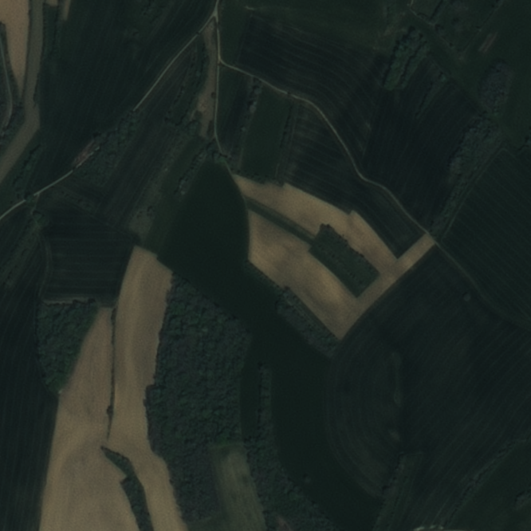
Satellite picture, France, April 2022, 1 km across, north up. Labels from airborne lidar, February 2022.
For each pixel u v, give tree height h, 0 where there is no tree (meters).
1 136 0
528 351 0
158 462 0
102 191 0
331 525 15
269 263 0
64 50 0
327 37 0
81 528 0
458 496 0
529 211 0
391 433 0
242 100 0
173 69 0
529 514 0
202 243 0
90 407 0
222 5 8
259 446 16
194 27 0
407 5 0
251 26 0
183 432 20
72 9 0
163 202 0
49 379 20
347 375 0
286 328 0
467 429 0
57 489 0
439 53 0
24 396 0
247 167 0
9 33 0
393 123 0
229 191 0
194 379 18
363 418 0
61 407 0
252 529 0
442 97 0
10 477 0
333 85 0
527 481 0
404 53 16
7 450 0
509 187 0
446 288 0
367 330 0
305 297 0
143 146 0
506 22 0
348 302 0
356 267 0
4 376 0
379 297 0
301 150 0
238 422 14
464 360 0
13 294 0
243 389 0
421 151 0
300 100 0
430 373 0
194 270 0
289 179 0
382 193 0
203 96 0
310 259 0
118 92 0
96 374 0
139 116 13
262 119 0
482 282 0
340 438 0
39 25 0
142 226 0
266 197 0
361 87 0
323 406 0
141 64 0
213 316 21
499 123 0
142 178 0
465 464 0
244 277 0
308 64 0
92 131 0
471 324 0
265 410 11
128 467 13
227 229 0
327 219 0
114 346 0
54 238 0
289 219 0
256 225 0
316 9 0
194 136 6
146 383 0
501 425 0
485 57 0
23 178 7
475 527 0
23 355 0
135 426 0
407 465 0
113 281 0
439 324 0
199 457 20
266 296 0
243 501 0
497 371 0
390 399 0
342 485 0
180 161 0
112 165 12
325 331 7
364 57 0
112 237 0
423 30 0
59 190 10
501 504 0
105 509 0
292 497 21
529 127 0
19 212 0
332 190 0
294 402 0
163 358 16
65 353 25
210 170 0
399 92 0
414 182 0
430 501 0
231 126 0
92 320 18
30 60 0
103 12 0
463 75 0
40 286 0
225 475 0
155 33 0
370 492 0
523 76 0
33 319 0
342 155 0
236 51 0
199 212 0
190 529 0
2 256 0
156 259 0
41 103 0
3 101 20
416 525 0
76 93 0
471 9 0
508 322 0
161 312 0
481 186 0
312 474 0
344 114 0
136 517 16
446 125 0
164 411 27
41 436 0
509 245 0
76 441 0
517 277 0
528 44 0
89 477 0
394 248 0
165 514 0
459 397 0
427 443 0
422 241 0
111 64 0
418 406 0
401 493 6
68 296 0
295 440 0
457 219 0
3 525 0
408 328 0
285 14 0
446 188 0
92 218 0
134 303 0
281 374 0
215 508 18
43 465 0
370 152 0
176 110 0
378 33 0
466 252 0
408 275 0
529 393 0
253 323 0
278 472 11
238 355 9
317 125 0
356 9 0
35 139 0
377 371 0
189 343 28
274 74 0
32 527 0
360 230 0
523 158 0
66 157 0
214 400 15
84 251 0
